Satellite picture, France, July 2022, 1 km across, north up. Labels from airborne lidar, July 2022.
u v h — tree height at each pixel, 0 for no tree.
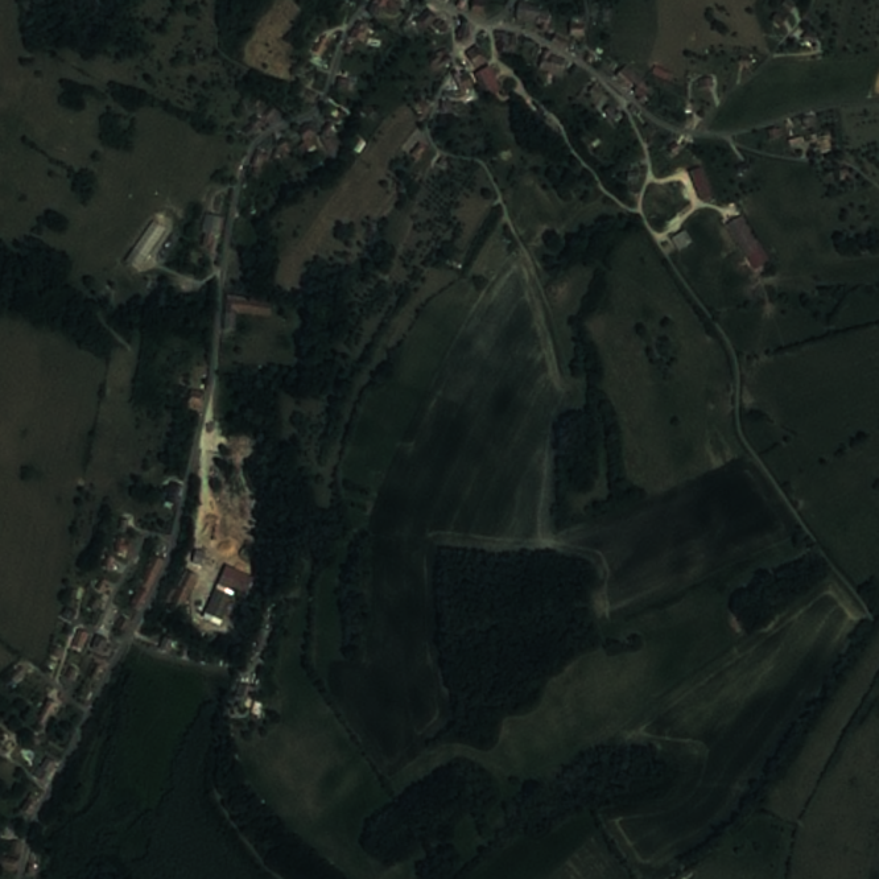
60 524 0
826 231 0
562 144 13
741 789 0
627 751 15
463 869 15
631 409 0
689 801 0
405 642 0
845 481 0
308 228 0
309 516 20
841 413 0
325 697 6
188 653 7
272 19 0
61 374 0
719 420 0
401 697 0
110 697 6
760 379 0
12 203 0
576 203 0
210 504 0
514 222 0
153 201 0
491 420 0
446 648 22
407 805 21
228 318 0
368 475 0
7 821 8
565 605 24
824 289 13
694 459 0
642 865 0
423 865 15
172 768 6
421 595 0
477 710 19
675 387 0
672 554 0
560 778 18
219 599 0
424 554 0
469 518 0
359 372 11
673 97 0
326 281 10
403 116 0
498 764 0
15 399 0
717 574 0
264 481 21
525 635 22
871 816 0
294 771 0
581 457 19
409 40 11
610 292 0
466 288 0
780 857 0
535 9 0
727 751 0
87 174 8
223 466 14
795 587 10
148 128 0
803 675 0
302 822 0
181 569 13
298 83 10
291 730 0
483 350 0
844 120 0
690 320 0
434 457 0
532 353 0
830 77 0
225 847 11
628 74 0
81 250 0
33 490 0
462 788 22
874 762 0
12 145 0
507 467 0
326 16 6
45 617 0
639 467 0
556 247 15
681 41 0
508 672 21
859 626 8
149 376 6
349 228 13
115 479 0
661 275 0
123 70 0
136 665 0
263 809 16
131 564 0
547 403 0
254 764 0
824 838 0
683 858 10
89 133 0
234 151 0
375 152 0
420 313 9
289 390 15
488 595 23
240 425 17
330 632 0
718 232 0
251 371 14
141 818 7
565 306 0
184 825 8
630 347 0
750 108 0
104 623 0
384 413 0
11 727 17
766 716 0
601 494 0
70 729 19
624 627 0
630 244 0
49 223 13
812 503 0
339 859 0
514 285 0
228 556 0
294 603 6
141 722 0
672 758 0
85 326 16
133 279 0
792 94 0
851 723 6
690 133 0
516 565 20
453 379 0
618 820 0
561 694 0
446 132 13
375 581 0
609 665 0
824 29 8
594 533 0
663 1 0
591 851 0
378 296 6
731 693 0
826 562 14
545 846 0
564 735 0
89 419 0
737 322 0
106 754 7
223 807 11
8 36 0
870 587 10
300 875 9
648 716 0
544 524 0
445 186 7
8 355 0
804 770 0
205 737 12
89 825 7
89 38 21
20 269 10
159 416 7
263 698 6
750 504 0
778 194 0
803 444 0
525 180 0
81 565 14
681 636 0
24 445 0
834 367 0
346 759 0
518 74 10
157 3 0
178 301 23
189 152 0
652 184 0
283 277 0
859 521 0
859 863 0
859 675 0
